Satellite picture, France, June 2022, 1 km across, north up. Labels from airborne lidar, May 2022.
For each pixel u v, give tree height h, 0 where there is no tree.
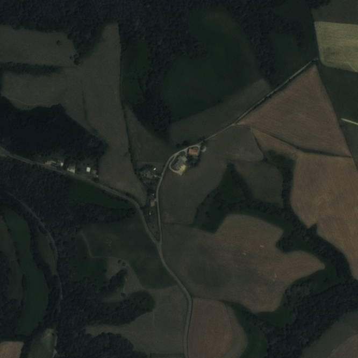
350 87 0
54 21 15
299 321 19
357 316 0
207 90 0
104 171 0
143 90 7
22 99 0
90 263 0
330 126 0
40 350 0
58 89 0
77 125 13
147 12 10
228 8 7
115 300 0
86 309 25
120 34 10
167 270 0
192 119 0
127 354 19
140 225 0
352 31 0
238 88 0
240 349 0
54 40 0
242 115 0
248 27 12
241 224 0
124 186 0
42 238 0
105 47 0
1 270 25
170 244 0
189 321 0
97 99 0
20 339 14
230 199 0
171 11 14
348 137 0
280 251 0
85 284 15
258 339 0
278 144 0
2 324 18
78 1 11
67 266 16
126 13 20
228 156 0
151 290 0
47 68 8
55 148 10
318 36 0
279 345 25
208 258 0
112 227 0
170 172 0
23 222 0
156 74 25
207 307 0
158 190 0
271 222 0
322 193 0
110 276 0
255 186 0
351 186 0
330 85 0
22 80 0
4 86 0
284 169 7
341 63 0
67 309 15
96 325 8
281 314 0
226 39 0
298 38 7
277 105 0
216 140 0
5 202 19
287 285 0
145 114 16
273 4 8
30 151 17
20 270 0
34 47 0
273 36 0
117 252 0
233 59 0
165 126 10
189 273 0
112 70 0
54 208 11
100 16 23
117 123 0
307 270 0
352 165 0
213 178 0
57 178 8
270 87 0
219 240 0
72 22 21
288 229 0
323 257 10
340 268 22
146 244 0
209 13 0
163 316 0
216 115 0
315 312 12
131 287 0
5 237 0
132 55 0
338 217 0
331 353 0
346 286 14
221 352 0
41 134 16
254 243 0
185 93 0
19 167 10
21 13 15
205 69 0
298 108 0
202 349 0
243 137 0
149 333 0
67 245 13
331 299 13
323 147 0
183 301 0
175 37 12
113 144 0
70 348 15
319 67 0
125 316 9
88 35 18
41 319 0
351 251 0
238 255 0
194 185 0
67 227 15
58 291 12
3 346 0
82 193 0
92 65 0
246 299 0
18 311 10
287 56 0
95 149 18
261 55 12
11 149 10
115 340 21
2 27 0
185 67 0
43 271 10
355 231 0
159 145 0
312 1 19
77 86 0
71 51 0
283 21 10
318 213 0
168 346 0
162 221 0
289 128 0
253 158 0
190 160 11
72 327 16
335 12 0
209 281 0
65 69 0
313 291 10
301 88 0
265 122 0
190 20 0
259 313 0
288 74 0
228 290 0
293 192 0
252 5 22
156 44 9
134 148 0
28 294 0
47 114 14
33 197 12
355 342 0
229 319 0
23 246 0
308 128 0
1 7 14
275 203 0
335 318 17
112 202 0
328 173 0
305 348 8
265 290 0
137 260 0
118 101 0
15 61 0
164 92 0
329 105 0
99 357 21
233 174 7
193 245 0
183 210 0
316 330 11
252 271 0
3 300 22
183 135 0
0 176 18
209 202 0
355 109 0
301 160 0
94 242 0
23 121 26
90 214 14
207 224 0
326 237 0
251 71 0
